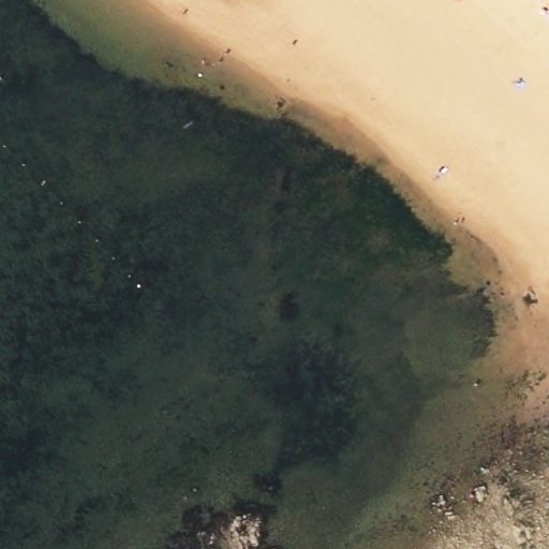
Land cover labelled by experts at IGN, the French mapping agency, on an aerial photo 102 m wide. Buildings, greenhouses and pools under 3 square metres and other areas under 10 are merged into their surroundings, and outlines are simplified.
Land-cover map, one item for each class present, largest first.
<instances>
[{"label":"water","instance_id":"1","mask_svg":"<svg viewBox=\"0 0 549 549\"><path fill-rule=\"evenodd\" d=\"M154 43L142 39L133 28H122L116 17L103 13L101 6H81L73 0H0V549H182L178 545L180 534L195 538L197 532H208L217 517H229L234 521L240 515L259 521L257 547L251 549H429V528L435 525L442 517L452 513L465 517L478 506H483L480 500H476V489L489 485L485 483L483 468H493L502 450H510L517 444V414L525 405V392L532 390L528 382V371L508 377L504 373L502 360L489 350L491 339L495 337V320L489 309V298L485 296V290L459 285L452 281L448 259L452 255V247L446 240V236L442 232H431L412 212L407 202L395 191V187L371 165L356 161L354 154L332 148L324 139H320L311 129H305L302 124L290 118H264L225 105L221 97L225 94V81L197 77L199 64L187 69V64L180 58H165L157 54V49L152 47Z\"/></svg>","mask_w":549,"mask_h":549},{"label":"bare soil","instance_id":"2","mask_svg":"<svg viewBox=\"0 0 549 549\"><path fill-rule=\"evenodd\" d=\"M81 6H101L103 13L116 17L122 28H133L142 39L154 43L152 47L157 49V54L165 58H180L187 64V69L199 64L197 77L225 81V94L221 97L225 105L264 118H290L302 124L305 129H311L320 139H324L332 148L354 154L356 161L371 165L395 187V191L407 202L412 212L431 232H442L446 236V240L452 247V255L448 259L452 281L459 285L485 290V296L489 298V309L495 320V337L491 339L489 350L502 360L504 373L508 377L528 371V382L532 390L525 392V405L517 414V444L510 450H502L493 468H483L485 483L489 485L476 489V500H480L483 506H478L465 517L452 513L442 517L435 525L429 528V549H549V0H73ZM259 521L240 515L234 521L229 517H217L208 532H197L195 538L180 534L178 545L182 549H251L257 547Z\"/></svg>","mask_w":549,"mask_h":549}]
</instances>
